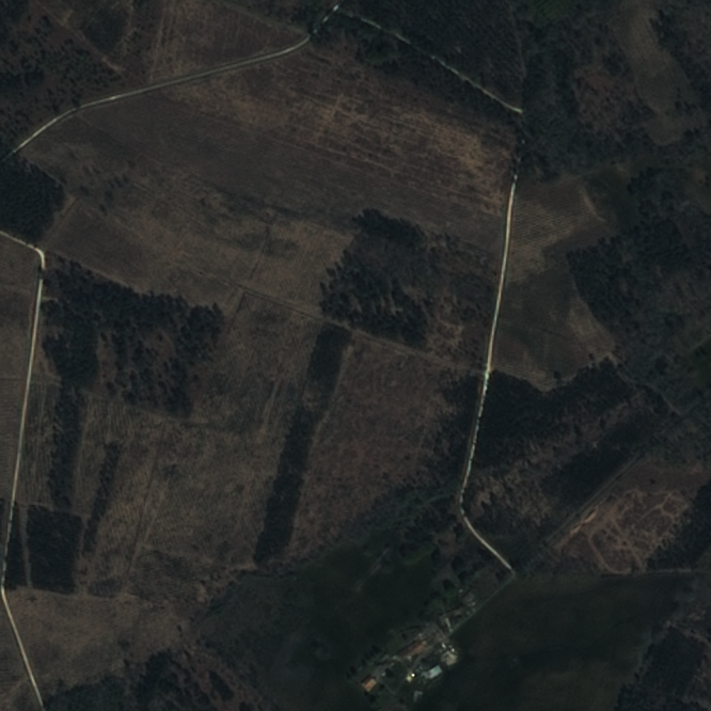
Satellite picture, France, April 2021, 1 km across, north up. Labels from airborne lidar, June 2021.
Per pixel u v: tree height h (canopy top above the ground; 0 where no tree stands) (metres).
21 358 0
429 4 16
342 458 0
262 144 0
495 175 0
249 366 0
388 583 0
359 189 0
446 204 0
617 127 11
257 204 0
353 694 0
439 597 13
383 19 17
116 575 0
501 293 0
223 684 16
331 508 0
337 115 0
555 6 25
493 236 0
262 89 0
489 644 0
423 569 0
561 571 16
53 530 9
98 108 0
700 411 19
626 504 0
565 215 0
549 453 12
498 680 0
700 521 8
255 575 8
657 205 11
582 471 9
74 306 21
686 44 11
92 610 0
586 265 16
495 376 8
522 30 15
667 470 15
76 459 19
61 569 9
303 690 0
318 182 0
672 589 0
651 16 0
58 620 0
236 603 0
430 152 0
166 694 10
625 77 11
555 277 0
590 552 0
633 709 23
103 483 8
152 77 0
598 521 0
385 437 0
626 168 0
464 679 0
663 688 8
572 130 16
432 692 0
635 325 23
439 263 15
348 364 0
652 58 0
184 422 0
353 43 11
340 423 0
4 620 0
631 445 8
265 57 0
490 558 16
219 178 0
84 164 0
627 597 0
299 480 7
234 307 0
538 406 8
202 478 0
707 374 0
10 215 18
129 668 16
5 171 18
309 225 0
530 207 0
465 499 9
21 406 0
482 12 11
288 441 6
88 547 6
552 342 0
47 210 19
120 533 0
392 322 20
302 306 0
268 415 0
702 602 0
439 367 0
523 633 0
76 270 17
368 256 15
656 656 11
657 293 19
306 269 0
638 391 10
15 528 6
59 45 0
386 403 0
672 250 14
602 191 0
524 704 0
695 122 0
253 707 9
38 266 0
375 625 0
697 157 12
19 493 0
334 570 0
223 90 0
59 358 19
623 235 6
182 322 6
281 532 6
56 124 0
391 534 0
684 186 0
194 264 0
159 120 0
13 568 7
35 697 0
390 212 0
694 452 20
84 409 16
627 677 0
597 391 9
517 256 0
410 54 21
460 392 8
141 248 0
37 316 0
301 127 0
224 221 0
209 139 0
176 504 0
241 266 0
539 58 8
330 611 0
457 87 16
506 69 9
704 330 11
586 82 11
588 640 0
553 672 0
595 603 0
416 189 0
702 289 12
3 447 0
